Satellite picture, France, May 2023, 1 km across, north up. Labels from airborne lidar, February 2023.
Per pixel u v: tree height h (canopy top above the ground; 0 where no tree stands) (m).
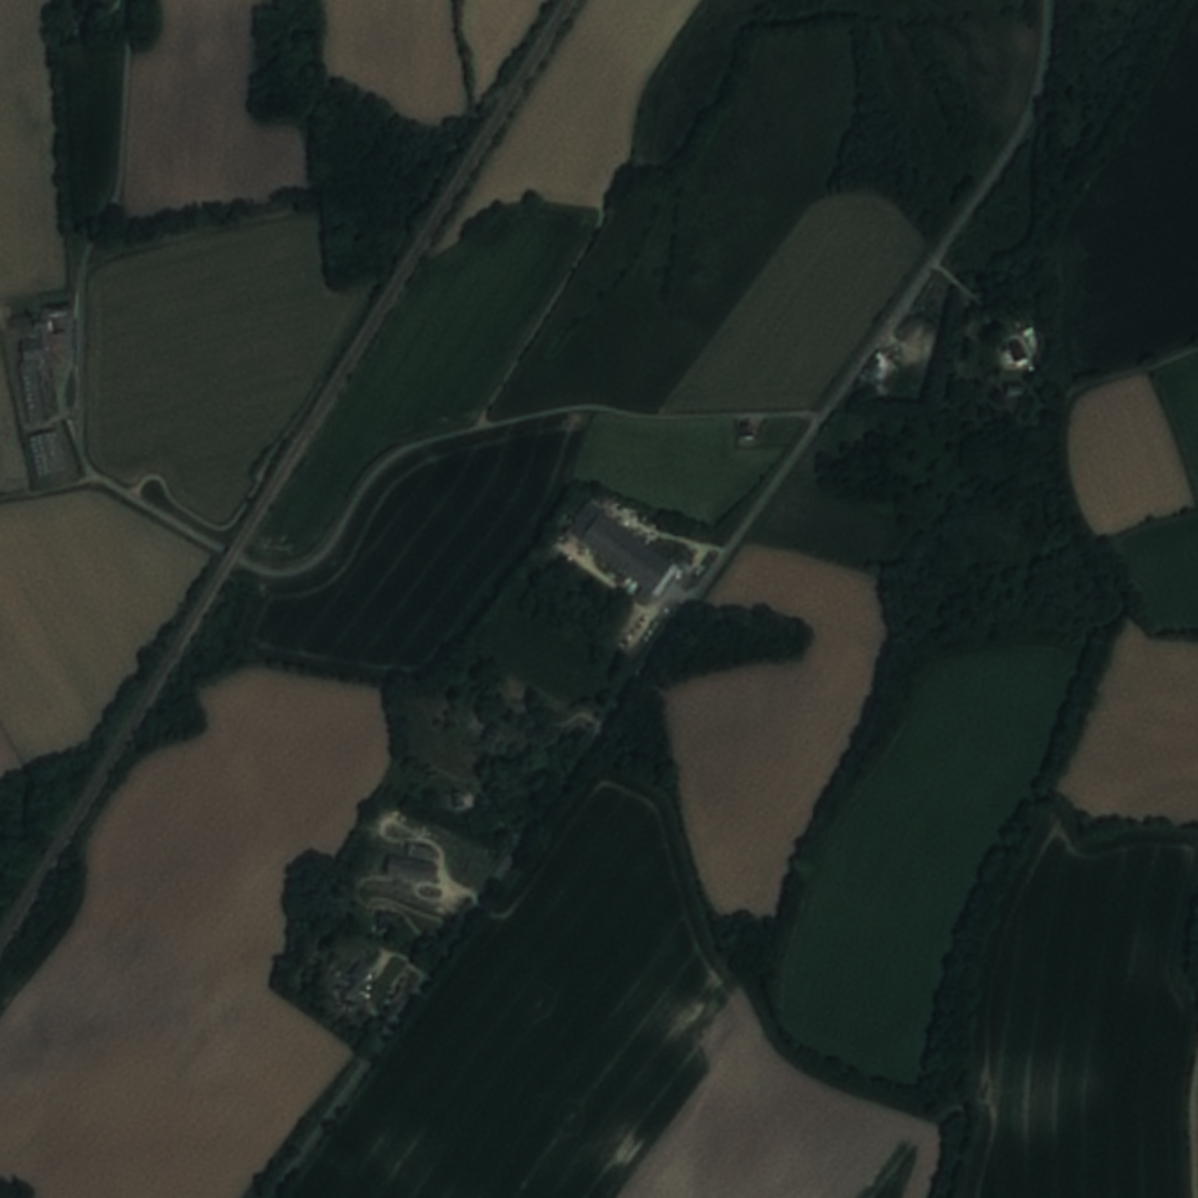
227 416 0
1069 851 0
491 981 0
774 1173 0
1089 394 0
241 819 0
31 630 0
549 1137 0
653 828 0
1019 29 0
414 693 21
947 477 0
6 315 0
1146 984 0
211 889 0
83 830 9
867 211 0
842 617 0
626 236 0
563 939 0
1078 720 13
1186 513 8
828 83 0
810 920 0
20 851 21
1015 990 0
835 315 0
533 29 7
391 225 19
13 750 0
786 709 0
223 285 0
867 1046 0
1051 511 7
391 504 0
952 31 0
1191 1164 0
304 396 0
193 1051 0
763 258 0
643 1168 0
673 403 0
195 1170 0
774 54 0
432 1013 0
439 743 0
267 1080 0
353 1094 0
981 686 0
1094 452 0
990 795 0
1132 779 0
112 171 0
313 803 0
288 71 14
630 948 0
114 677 0
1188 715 0
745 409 0
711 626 18
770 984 9
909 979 0
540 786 18
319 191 12
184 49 0
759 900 0
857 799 0
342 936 12
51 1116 0
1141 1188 0
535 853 14
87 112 0
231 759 0
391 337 0
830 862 0
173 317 0
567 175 0
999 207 10
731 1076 0
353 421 0
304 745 0
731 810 0
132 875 0
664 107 0
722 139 0
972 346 14
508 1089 0
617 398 0
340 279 19
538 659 0
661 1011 0
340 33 0
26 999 0
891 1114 0
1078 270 0
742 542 0
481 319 0
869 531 0
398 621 0
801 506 0
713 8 0
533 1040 0
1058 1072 0
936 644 8
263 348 0
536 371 0
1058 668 0
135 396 0
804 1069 0
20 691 0
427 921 0
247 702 0
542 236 0
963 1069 9
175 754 0
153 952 0
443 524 0
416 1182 0
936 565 12
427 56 0
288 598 0
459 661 22
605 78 0
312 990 12
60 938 0
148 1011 0
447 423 0
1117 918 0
